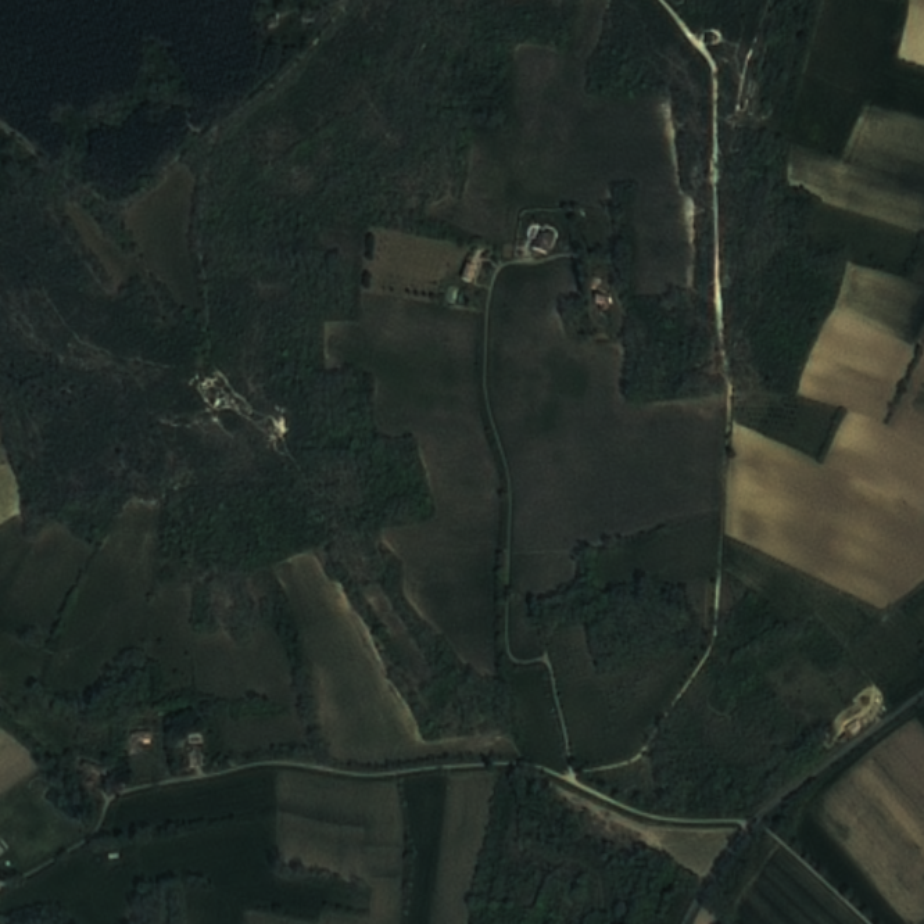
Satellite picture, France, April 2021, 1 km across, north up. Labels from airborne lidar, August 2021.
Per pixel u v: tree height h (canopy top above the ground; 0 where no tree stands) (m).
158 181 13
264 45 7
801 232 13
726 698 7
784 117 17
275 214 7
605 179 0
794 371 6
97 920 0
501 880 9
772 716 9
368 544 16
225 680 0
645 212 0
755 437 0
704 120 7
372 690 0
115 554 0
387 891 0
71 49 12
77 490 8
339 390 20
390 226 12
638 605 21
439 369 0
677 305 10
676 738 12
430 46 10
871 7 0
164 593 0
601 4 0
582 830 13
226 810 0
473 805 0
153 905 17
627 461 0
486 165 0
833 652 6
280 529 7
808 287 6
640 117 0
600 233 0
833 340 0
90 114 11
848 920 0
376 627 8
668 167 0
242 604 18
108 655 0
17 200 10
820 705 0
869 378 0
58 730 0
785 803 7
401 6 11
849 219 0
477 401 0
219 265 11
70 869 0
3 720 19
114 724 22
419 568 0
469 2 11
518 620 0
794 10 9
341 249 0
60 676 0
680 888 17
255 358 6
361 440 9
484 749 0
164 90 11
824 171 0
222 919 0
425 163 8
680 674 0
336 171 10
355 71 9
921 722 0
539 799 15
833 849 0
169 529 6
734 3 6
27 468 6
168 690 10
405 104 10
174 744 14
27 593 0
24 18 11
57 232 8
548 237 0
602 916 15
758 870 0
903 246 0
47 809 0
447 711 13
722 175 6
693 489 0
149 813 0
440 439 0
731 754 8
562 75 0
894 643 0
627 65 11
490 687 15
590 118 0
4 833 0
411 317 0
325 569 7
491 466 0
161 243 0
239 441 0
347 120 8
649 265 0
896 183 0
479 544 0
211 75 13
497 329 0
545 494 0
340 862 0
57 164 14
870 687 0
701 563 0
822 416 0
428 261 0
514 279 0
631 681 6
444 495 0
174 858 0
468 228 0
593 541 0
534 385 0
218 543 11
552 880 9
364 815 0
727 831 0
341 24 11
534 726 0
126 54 12
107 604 0
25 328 0
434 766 8
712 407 0
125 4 12
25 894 0
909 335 0
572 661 5
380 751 0
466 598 0
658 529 6
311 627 0
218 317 6
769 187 19
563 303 11
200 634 10
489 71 11
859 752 6
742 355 8
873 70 0
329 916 0
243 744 0
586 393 0
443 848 0
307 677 13
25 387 13
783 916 0
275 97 13
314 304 16
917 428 0
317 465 13
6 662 0
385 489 9
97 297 7
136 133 11
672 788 21
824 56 0
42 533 10
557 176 0
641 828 0
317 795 0
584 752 0
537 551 0
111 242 11
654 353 12
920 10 0
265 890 0
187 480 6
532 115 0
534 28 5
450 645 9
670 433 0
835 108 0
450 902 0
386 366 0
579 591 7
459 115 17
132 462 7
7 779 0
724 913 24
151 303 8
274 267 15
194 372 6
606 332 0
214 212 10
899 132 0
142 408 8
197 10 13
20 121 11
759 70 13
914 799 0
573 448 0
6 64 9
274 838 0
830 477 0
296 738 0
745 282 7
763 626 13
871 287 0
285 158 8
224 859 0
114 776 7
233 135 11
